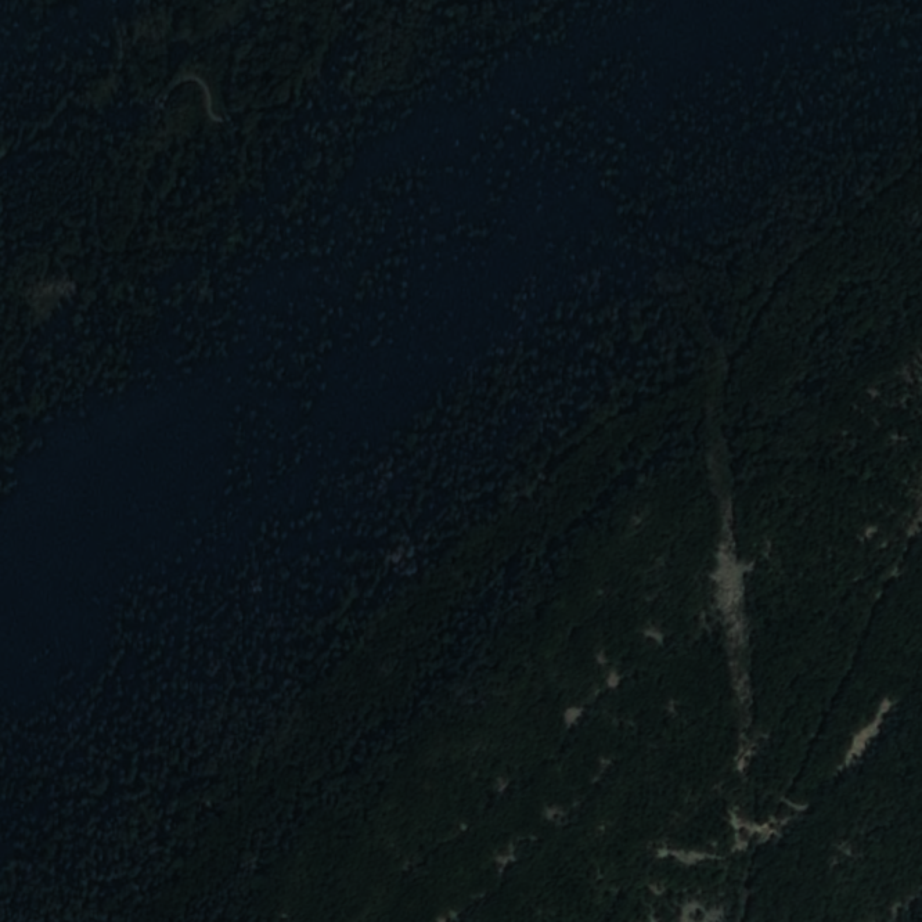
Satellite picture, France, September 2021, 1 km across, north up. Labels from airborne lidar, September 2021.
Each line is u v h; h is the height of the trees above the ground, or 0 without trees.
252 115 19
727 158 27
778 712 13
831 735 22
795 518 14
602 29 21
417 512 25
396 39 22
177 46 24
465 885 19
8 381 21
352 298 27
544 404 25
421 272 34
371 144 22
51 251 29
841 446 20
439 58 22
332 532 24
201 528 7
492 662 24
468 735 12
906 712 15
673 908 12
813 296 24
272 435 24
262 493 24
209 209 9
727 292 26
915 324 24
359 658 19
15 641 29
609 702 11
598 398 8
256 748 24
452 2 12
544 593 27
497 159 20
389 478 26
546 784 17
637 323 27
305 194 24
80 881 25
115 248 31
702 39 23
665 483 24
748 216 26
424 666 28
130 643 26
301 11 23
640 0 23
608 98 29
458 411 27
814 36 20
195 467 21
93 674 17
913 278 23
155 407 12
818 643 12
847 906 21
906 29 23
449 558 20
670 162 26
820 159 26
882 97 30
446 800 19
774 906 12
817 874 11
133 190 26
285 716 20
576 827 16
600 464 28
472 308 20
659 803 16
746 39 22
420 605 24
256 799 19
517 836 15
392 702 29
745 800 12
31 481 13
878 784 16
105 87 17
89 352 30
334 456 11
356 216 21
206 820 24
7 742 26
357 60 18
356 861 18
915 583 19
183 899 23
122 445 9
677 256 23
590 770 21
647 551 19
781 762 16
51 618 17
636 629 19
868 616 10
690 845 14
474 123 9
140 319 17
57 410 24
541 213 26
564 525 30
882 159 24
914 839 23
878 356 22
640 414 21
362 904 21
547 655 17
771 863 16
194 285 29
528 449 17
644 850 7
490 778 13
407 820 15
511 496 15
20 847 24
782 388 25
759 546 16
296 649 10
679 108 22
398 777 20
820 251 19
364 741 23
